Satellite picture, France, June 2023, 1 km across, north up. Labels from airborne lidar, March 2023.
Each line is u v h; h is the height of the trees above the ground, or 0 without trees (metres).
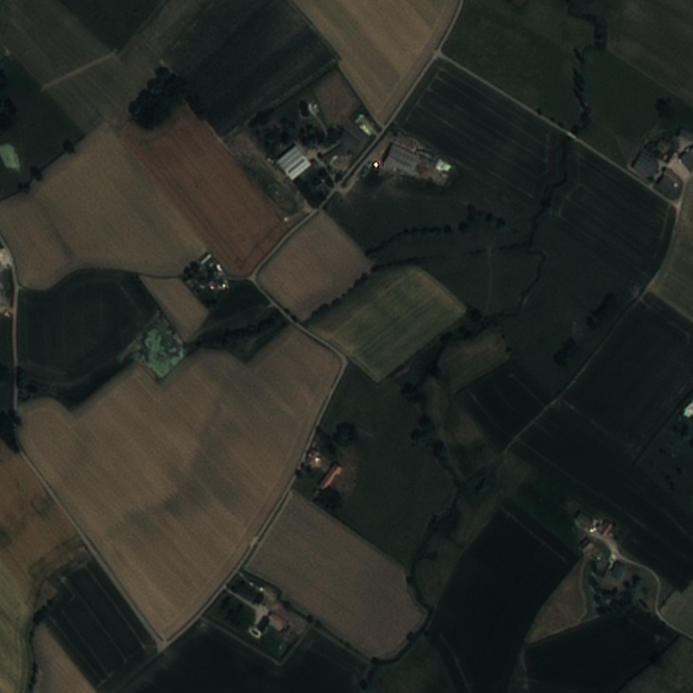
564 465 0
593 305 0
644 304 0
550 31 0
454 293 0
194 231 0
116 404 0
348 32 0
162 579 0
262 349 0
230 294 0
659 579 0
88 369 0
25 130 0
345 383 0
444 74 0
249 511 0
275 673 0
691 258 0
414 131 0
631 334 0
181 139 0
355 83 0
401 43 0
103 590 0
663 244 0
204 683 0
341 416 0
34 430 0
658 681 0
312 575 0
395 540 0
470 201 0
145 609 0
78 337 0
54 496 0
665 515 0
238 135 0
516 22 0
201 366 0
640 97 0
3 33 0
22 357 0
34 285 0
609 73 0
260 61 0
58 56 0
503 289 0
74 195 0
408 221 0
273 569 0
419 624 0
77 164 0
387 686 0
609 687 0
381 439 0
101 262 0
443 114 0
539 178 0
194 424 0
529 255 0
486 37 0
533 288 0
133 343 0
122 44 0
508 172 0
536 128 0
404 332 0
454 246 0
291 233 0
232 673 0
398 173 0
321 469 0
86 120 0
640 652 0
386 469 0
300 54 0
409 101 0
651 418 0
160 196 0
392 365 0
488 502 0
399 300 0
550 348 0
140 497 0
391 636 0
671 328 0
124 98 0
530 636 0
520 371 0
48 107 0
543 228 0
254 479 0
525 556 0
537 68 0
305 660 0
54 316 0
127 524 0
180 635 0
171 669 0
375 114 0
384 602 0
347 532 0
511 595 0
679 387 0
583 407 0
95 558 0
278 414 0
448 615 0
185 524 0
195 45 0
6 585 0
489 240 0
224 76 0
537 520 0
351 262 0
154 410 0
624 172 0
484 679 0
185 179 0
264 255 0
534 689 0
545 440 0
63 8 0
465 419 0
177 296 0
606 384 0
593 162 0
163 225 0
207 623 0
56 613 0
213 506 0
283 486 0
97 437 0
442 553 0
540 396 0
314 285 0
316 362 0
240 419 0
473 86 0
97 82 0
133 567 0
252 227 0
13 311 0
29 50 0
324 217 0
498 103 0
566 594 0
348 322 0
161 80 14
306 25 0
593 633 0
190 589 0
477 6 0
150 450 0
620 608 21
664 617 0
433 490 0
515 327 0
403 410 0
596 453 0
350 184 0
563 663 0
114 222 0
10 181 0
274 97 0
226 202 0
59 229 0
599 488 0
